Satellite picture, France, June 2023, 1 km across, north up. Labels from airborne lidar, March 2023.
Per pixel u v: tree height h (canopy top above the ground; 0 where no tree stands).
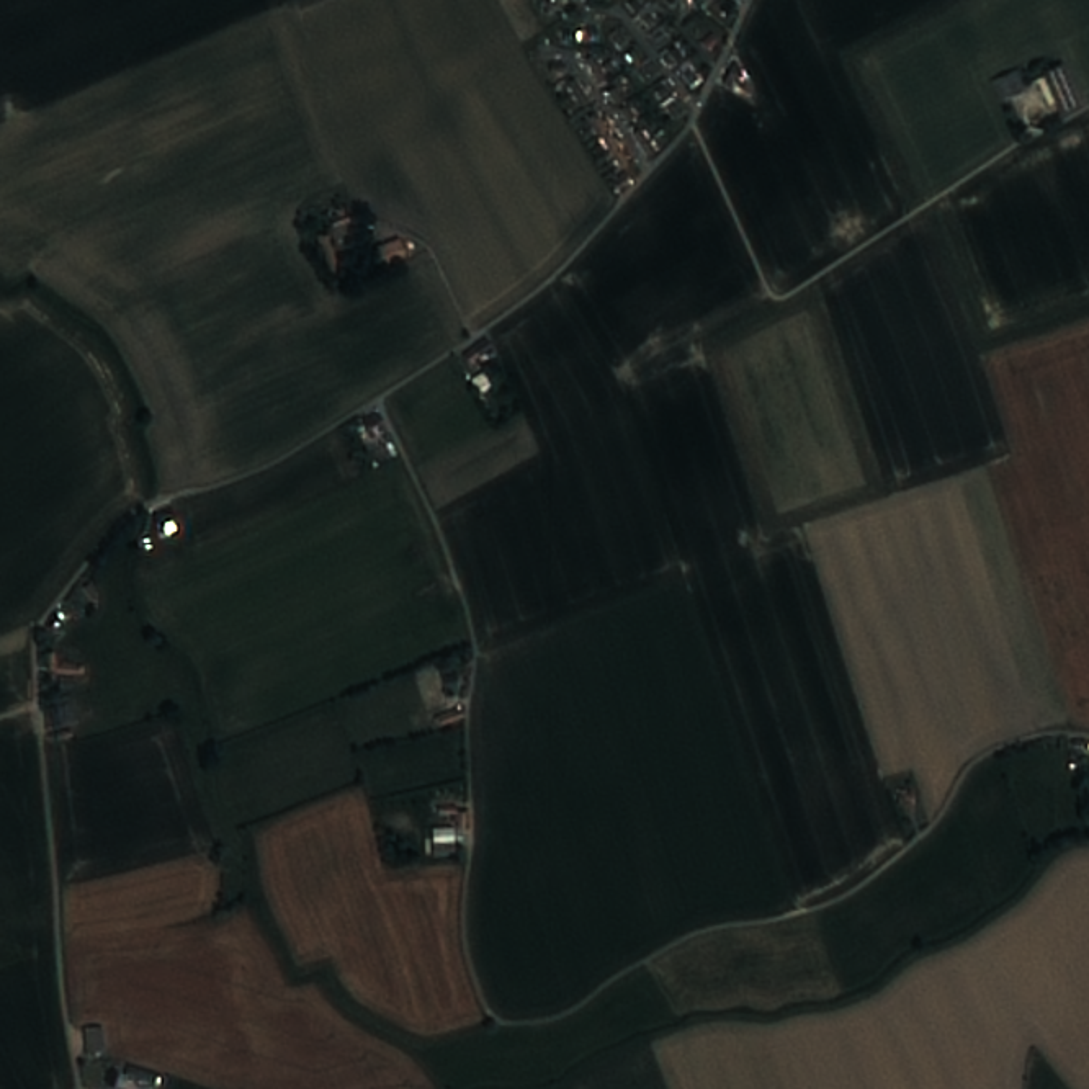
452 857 11
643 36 0
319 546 0
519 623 0
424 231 0
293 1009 0
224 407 0
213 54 0
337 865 0
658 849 0
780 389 0
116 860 0
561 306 0
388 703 0
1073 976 0
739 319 0
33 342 0
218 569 0
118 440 0
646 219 0
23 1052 0
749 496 0
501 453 0
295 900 0
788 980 0
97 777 0
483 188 0
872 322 0
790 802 0
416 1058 0
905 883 0
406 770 0
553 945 0
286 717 0
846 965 0
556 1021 0
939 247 0
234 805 0
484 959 0
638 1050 0
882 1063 0
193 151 0
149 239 0
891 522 0
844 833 0
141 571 0
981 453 0
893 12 0
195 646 0
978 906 0
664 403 0
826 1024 0
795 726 0
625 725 0
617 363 0
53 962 0
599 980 0
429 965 0
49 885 0
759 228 0
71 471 0
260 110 0
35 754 0
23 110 0
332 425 0
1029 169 0
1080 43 0
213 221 0
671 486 0
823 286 0
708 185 0
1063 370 0
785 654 0
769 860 0
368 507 0
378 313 0
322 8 0
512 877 0
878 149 0
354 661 0
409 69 0
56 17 0
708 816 0
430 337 0
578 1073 0
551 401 0
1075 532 0
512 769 0
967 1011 0
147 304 0
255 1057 0
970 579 0
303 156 0
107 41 0
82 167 0
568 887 0
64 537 0
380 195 0
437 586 0
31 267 0
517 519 0
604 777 0
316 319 0
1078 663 0
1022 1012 0
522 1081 0
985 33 0
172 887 0
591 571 0
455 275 0
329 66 0
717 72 0
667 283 0
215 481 0
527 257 0
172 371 0
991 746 0
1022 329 0
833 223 0
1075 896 0
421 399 0
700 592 0
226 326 0
